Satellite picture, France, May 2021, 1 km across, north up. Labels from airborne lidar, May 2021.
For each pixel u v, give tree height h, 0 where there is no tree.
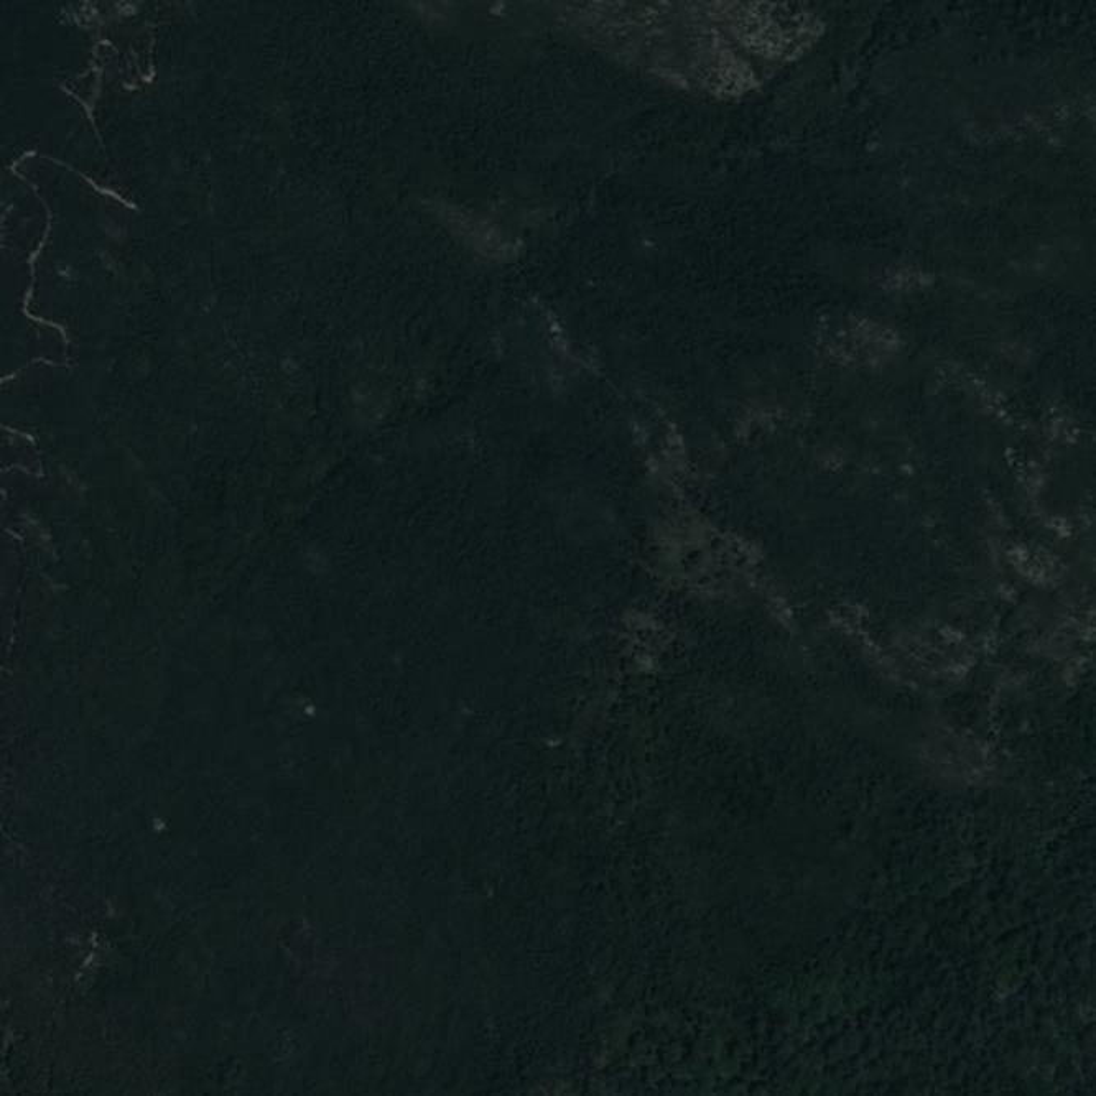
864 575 8
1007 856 15
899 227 9
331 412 16
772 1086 18
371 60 12
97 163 8
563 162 8
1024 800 11
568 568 9
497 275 12
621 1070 12
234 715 6
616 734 17
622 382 7
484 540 11
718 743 10
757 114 13
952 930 15
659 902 6
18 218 6
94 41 10
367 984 9
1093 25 16
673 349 7
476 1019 11
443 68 11
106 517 6
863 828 15
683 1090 21
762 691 10
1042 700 13
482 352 7
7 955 11
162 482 8
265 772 7
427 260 10
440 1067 10
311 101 11
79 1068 11
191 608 8
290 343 8
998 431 5
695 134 17
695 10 0
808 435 9
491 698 9
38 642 9
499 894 8
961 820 21
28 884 10
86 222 7
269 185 8
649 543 10
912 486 6
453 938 9
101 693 9
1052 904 26
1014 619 20
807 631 7
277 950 6
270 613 9
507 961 10
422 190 6
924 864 10
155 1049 12
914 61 5
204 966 7
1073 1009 9
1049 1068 10
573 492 10
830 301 10
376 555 12
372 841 7
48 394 7
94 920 10
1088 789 16
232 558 10
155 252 9
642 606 8
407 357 9
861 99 25
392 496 7
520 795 8
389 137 13
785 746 9
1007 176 8
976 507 7
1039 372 8
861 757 12
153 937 8
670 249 6
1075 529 7
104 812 9
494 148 11
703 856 9
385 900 9
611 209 13
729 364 7
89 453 7
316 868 6
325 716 7
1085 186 9
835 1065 11
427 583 12
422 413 16
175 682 6
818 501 9
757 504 13
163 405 7
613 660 16
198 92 8
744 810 16
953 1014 8
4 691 10
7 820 11
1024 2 18
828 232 11
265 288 8
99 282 7
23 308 7
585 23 0
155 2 8
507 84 11
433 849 8
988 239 8
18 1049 12
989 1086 20
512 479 10
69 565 12
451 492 9
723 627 11
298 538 9
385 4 7
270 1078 9
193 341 7
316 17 13
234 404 7
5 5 10
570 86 11
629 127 11
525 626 9
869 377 9
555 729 9
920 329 12
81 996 9
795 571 9
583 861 13
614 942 12
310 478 11
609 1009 13
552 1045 13
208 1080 6
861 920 15
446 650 10
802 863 6
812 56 6
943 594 7
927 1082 16
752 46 7
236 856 6
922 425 8
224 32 10
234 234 9
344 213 11
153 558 12
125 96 9
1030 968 18
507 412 8
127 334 7
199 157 9
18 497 7
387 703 15
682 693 14
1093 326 11
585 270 8
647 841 12
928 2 6
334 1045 9
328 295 8
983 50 6
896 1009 27
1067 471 8
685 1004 13
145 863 6
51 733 11
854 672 9
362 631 8
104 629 9
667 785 10
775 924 7
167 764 7
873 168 11
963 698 16
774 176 11
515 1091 23
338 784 6
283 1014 7
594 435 10
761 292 12
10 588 9
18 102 6
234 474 17
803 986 18
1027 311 11
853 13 16
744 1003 8
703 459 7
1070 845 16
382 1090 7
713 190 9
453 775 8
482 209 9
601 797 6
